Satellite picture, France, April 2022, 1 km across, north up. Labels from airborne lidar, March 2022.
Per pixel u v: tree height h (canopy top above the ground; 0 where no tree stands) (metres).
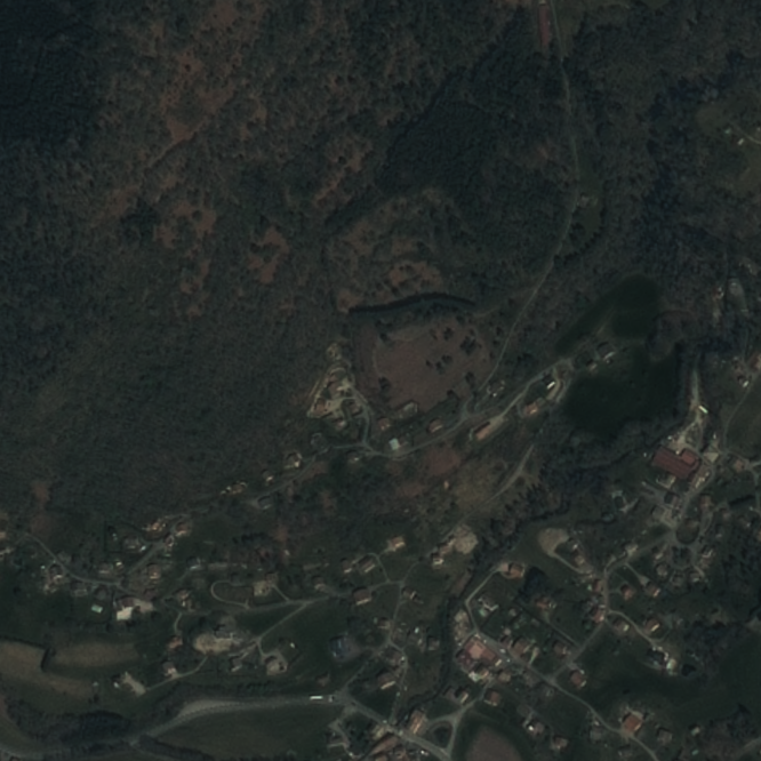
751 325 15
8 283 18
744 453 0
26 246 9
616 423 0
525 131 22
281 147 26
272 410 22
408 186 20
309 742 0
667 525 0
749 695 0
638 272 11
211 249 21
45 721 9
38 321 24
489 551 22
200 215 10
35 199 21
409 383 0
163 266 7
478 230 17
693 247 20
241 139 10
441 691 7
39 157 9
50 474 21
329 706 0
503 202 19
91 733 28
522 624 0
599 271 17
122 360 20
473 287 8
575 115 7
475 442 0
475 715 0
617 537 13
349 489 9
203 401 19
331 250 19
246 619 0
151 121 6
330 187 17
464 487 0
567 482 26
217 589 0
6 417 17
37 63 16
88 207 11
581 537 0
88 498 18
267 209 26
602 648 0
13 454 20
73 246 17
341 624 0
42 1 20
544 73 21
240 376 22
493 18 21
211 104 0
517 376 12
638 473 0
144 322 7
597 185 0
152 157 7
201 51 5
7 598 0
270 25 17
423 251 19
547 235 22
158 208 16
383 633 0
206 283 8
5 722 0
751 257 9
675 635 6
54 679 0
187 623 0
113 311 18
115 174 18
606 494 11
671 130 7
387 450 0
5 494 17
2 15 16
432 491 0
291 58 18
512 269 19
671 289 22
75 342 7
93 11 17
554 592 12
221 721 0
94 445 20
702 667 0
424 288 13
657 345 27
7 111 16
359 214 20
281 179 8
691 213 9
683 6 21
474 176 26
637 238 21
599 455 26
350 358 15
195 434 7
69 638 0
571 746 6
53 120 21
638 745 0
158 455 21
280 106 7
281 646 9
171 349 7
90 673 0
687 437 0
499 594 0
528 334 17
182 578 0
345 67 10
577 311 21
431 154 30
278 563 22
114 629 8
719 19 22
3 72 17
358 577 0
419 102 14
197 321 9
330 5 16
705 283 23
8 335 21
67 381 7
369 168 20
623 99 23
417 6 23
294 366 22
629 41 26
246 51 14
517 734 0
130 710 0
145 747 17
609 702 0
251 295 17
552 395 0
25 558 13
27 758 0
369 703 0
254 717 0
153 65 7
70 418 24
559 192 21
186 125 0
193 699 12
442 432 0
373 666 8
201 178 20
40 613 0
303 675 0
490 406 0
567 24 0
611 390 0
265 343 19
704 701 0
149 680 0
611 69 28
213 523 0
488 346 0
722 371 0
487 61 9
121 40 9
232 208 21
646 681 0
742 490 0
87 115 7
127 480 16
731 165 14
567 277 9
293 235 13
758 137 0
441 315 17
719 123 0
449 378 0
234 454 22
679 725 0
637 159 21
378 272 17
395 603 0
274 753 0
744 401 0
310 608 0
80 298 18
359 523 9
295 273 23
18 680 0
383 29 15
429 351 0
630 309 0
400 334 0
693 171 7
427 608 0
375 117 13
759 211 13
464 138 29
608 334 0
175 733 0
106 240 7
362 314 22
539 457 0
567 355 0
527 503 24
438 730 0
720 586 0
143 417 20
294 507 10
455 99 28
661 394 0
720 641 15
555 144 23
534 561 0
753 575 15
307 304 23
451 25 18
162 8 9
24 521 22
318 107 23
